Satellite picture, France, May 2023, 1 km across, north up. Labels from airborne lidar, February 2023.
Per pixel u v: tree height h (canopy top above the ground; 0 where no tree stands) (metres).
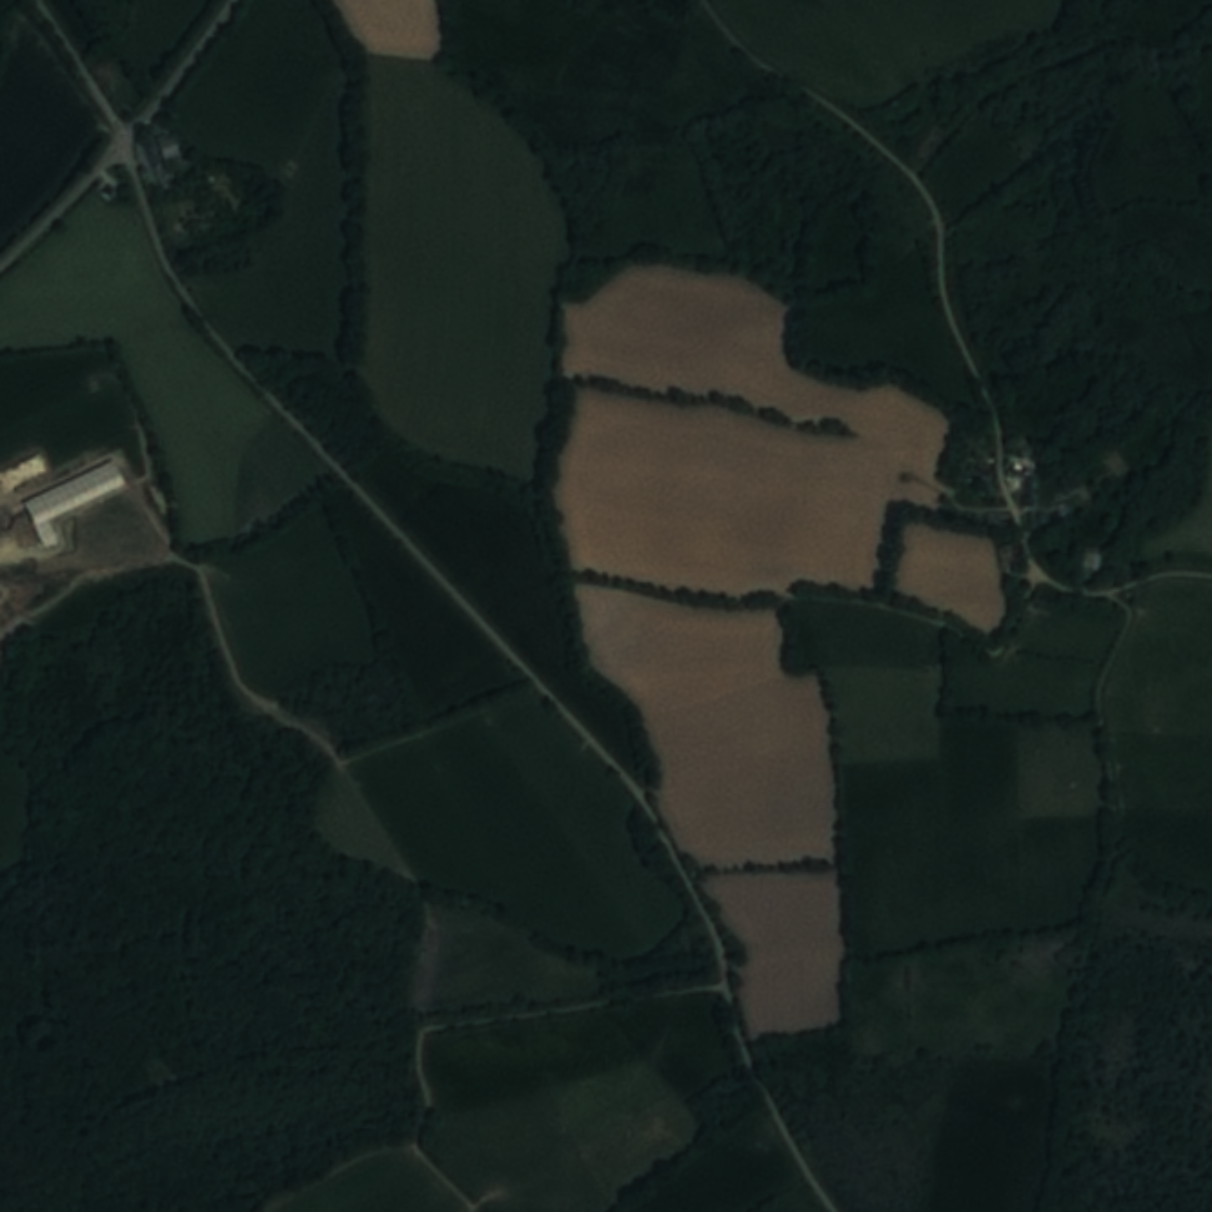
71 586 0
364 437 15
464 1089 0
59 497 0
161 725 8
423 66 0
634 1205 17
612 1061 0
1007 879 0
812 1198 0
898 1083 0
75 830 19
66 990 19
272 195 12
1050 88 9
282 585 0
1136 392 7
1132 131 0
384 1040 10
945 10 0
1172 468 11
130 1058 16
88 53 7
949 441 9
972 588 0
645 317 0
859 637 0
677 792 0
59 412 0
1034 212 9
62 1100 16
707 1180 0
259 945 8
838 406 0
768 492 0
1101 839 7
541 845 0
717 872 10
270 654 0
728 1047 12
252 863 14
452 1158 0
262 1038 13
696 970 13
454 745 0
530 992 0
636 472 0
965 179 0
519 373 0
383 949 7
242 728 11
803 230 11
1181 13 0
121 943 16
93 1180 13
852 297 18
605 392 14
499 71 0
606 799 0
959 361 0
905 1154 0
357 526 0
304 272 0
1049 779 0
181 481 0
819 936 0
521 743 0
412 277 0
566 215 11
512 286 0
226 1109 6
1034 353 20
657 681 0
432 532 0
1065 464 14
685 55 0
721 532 0
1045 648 0
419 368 0
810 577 0
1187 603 0
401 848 0
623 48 0
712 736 0
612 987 14
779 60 0
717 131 7
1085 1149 10
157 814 17
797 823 0
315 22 0
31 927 23
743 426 0
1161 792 0
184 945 15
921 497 0
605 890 0
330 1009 11
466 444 0
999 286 7
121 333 0
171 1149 10
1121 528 10
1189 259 0
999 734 0
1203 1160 10
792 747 0
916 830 0
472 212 0
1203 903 12
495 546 0
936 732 0
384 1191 0
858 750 0
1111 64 9
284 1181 13
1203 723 0
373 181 0
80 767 16
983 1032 0
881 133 7
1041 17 0
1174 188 0
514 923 8
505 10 0
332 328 0
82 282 0
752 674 0
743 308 0
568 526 0
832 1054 0
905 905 0
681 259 7
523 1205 0
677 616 0
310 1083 10
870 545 0
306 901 7
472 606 0
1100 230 13
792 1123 8
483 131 0
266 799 6
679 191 0
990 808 0
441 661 0
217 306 0
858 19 0
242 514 0
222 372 0
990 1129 0
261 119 0
